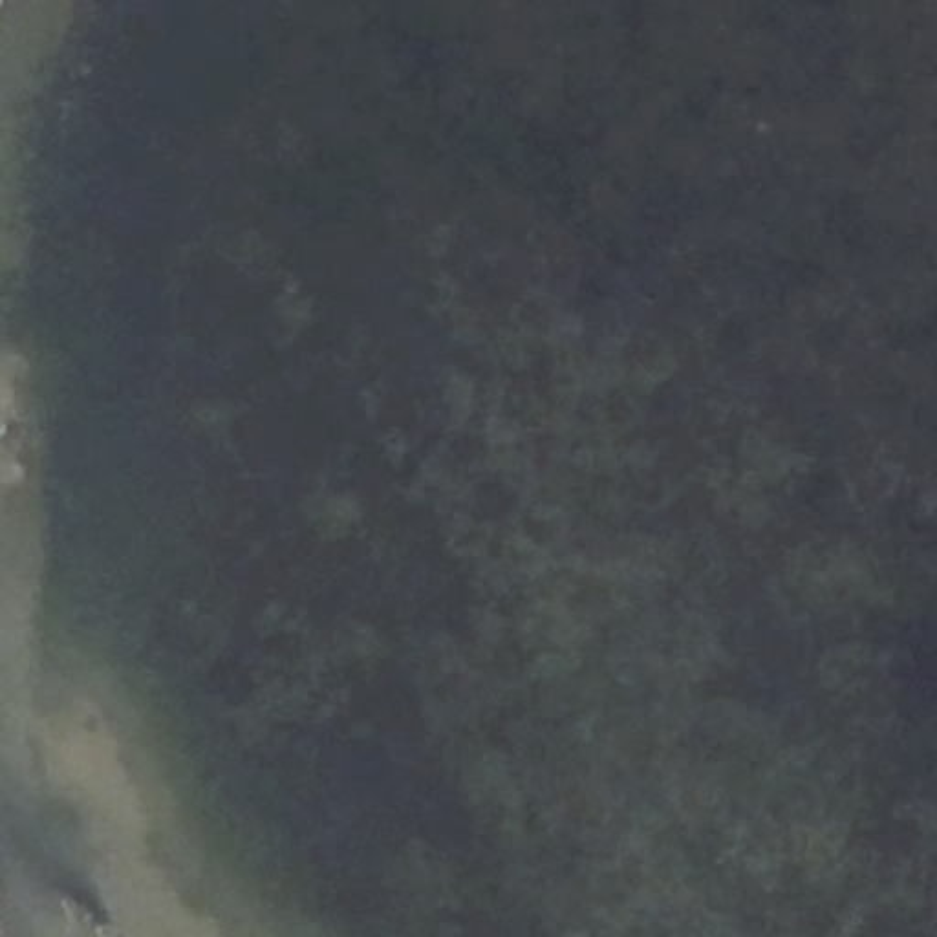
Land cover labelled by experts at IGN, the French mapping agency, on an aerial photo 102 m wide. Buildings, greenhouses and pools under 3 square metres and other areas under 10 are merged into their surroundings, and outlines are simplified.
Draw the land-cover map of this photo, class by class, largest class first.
<instances>
[{"label":"water","instance_id":"1","mask_svg":"<svg viewBox=\"0 0 937 937\"><path fill-rule=\"evenodd\" d=\"M70 900L84 908L92 922L106 926L113 937H937V0H0V937H62V911Z\"/></svg>","mask_w":937,"mask_h":937},{"label":"herbaceous vegetation","instance_id":"2","mask_svg":"<svg viewBox=\"0 0 937 937\"><path fill-rule=\"evenodd\" d=\"M62 937H113L106 926L92 922L84 908L70 900L62 911Z\"/></svg>","mask_w":937,"mask_h":937}]
</instances>
